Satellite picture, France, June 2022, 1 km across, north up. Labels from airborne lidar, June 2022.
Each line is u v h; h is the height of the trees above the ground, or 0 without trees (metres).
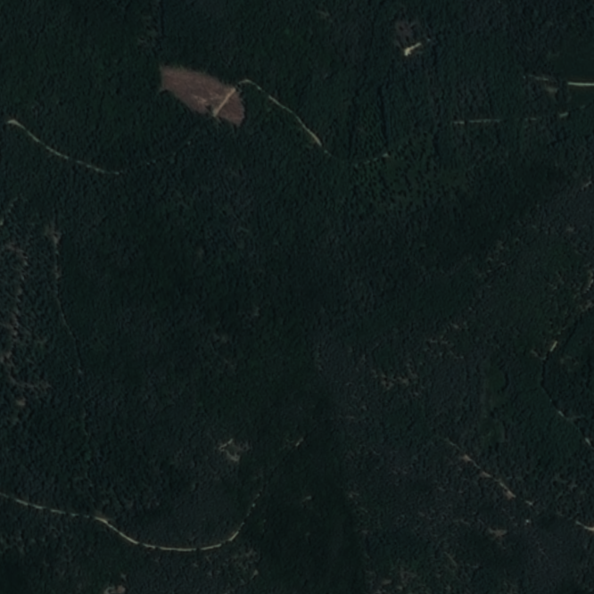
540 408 18
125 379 12
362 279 14
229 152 13
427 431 17
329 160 11
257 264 13
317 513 11
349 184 13
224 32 11
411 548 26
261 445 16
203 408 9
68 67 22
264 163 17
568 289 18
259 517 13
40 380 10
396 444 23
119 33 17
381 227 14
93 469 12
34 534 11
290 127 16
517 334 22
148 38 15
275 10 13
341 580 17
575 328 10
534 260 16
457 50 28
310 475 16
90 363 16
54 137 18
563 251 16
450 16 19
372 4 22
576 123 12
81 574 14
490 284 18
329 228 15
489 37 21
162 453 13
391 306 17
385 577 12
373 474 17
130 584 16
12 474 16
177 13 13
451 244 12
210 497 17
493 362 7
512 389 18
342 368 16
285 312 11
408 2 11
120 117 14
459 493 14
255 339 11
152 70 18
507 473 14
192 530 15
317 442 18
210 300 18
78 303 14
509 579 14
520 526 12
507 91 18
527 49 13
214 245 9
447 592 22
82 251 13
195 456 6
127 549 16
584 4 10
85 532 13
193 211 13
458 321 18
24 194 13
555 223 17
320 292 12
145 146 14
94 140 15
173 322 10
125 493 16
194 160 11
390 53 24
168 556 13
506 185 12
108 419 16
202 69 21
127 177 14
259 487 17
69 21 19
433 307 15
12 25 14
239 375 11
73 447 19
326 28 16
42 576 11
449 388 19
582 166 7
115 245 17
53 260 16
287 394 19
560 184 11
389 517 13
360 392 14
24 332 20
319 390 15
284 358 10
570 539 16
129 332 12
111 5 17
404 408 15
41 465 20
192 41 14
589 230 15
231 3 13
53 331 23
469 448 11
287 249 12
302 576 18
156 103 15
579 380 20
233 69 12
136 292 19
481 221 8
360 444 13
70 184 21
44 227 13
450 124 16
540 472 8
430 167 12
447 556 16
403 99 22
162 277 19
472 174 9
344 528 14
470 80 12
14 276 21
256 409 12
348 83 26
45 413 18
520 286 13
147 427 13
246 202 15
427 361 18
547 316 15
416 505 13
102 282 17
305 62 11
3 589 15
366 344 14
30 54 14
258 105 16
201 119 15
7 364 7
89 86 18
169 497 13
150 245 18
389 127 24
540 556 15
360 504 15
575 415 24
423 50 9
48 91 24
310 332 19
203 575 14
